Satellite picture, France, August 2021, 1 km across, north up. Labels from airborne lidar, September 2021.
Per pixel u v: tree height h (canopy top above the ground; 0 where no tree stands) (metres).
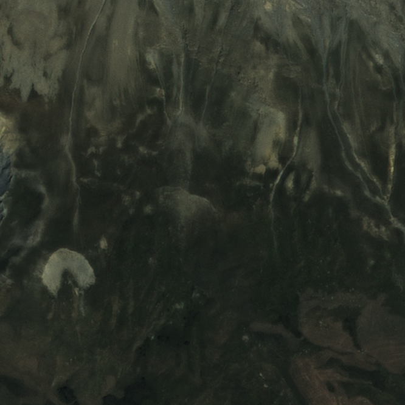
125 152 0
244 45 0
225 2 0
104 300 0
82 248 0
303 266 0
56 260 0
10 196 0
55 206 0
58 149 0
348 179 0
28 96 0
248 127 0
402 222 0
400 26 0
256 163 0
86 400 0
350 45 0
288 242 0
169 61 0
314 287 0
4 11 0
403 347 0
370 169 0
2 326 0
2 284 0
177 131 0
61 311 0
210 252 0
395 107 0
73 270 0
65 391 7
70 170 0
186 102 0
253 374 0
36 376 0
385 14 0
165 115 0
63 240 0
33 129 0
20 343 0
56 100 0
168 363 0
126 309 0
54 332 0
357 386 0
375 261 0
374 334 0
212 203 0
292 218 0
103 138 0
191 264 0
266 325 0
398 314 0
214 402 0
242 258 0
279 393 0
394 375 0
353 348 0
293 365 0
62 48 0
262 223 0
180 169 0
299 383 0
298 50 0
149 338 0
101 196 0
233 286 0
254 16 0
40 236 0
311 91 0
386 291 0
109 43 0
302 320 0
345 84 0
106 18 0
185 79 0
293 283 0
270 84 0
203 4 0
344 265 0
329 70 0
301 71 0
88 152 0
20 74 0
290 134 0
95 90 0
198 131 0
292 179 0
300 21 0
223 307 0
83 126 0
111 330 0
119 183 0
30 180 0
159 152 0
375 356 0
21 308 0
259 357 0
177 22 0
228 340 0
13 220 0
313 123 0
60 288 0
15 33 0
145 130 0
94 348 0
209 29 0
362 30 0
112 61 0
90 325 0
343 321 0
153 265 0
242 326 0
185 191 0
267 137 0
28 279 0
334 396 0
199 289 0
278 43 0
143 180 0
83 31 0
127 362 0
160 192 0
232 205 0
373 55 0
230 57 0
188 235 0
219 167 0
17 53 0
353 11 0
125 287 0
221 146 0
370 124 0
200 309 0
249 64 0
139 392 0
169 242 0
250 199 0
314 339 0
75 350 0
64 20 0
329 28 0
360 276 0
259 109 0
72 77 0
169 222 0
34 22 0
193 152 0
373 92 0
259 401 0
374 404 0
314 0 0
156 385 0
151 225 0
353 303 0
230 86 0
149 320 0
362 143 0
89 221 0
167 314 0
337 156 0
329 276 0
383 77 0
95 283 0
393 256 0
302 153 0
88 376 0
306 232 0
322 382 0
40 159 0
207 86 0
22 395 0
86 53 0
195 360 0
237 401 0
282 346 0
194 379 0
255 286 0
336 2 0
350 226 0
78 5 0
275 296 0
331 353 0
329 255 0
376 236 0
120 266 0
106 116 0
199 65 0
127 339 0
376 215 0
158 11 0
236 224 0
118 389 0
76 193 0
